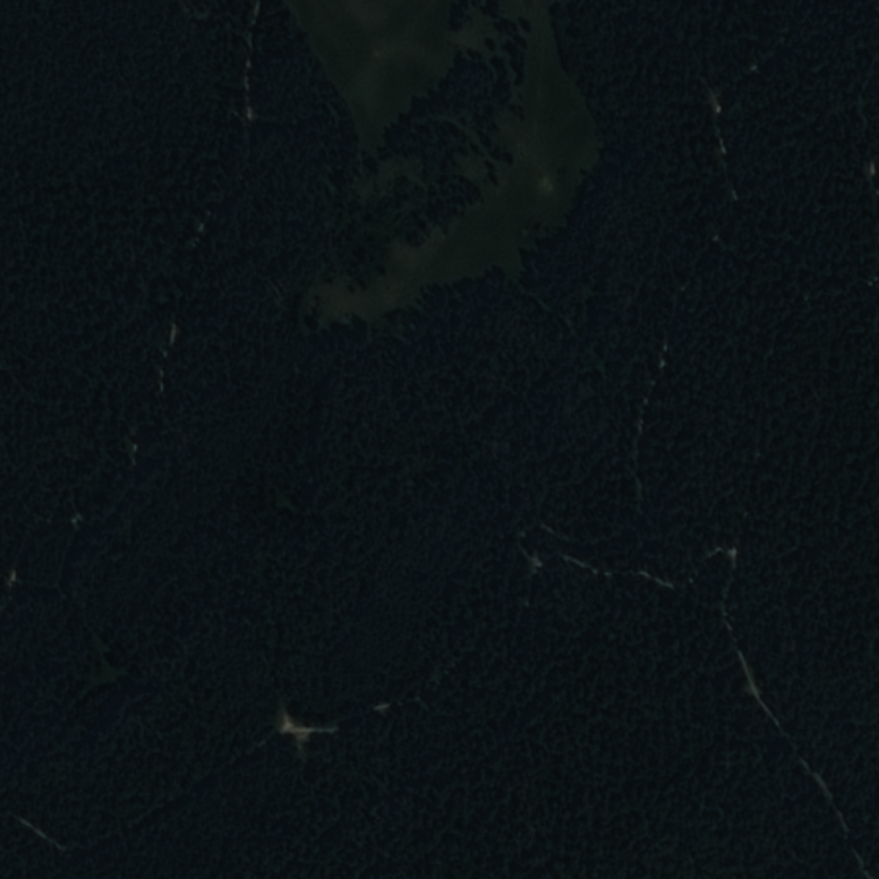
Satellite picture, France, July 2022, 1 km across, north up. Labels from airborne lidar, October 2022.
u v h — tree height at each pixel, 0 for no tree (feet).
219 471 79
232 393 69
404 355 91
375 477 68
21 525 79
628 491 41
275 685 68
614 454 95
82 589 91
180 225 50
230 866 58
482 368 60
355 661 65
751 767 94
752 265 24
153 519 70
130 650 44
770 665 76
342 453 70
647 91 40
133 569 105
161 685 84
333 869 21
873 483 59
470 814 26
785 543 34
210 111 43
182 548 106
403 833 67
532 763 71
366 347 91
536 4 0
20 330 79
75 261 60
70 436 96
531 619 63
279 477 59
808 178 80
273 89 107
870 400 60
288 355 74
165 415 43
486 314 56
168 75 70
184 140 56
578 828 75
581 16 72
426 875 51
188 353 66
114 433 59
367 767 45
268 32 49
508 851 83
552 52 0
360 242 25
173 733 44
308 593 76
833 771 92
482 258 0
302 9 0
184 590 43
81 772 64
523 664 71
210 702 52
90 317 50
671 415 75
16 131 82
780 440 46
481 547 89
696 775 36
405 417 100
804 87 69
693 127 67
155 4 62
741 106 29
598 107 20
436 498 100
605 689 84
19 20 72
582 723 58
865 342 62
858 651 30
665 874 77
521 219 0
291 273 109
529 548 90
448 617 87
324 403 77
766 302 35
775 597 62
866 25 54
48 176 50
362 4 0
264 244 109
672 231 30
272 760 57
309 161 101
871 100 36
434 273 0
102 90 79
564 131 0
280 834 107
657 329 60
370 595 77
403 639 67
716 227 24
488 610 66
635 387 57
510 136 0
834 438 67
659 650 79
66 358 66
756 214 86
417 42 0
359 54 0
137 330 101
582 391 69
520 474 48
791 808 101
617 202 56
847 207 82
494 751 109
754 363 69
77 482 43
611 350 73
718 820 73
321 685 39
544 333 66
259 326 90
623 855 62
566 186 0
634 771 62
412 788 30
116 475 58
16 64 69
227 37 80
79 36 63
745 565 38
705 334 69
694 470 70
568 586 69
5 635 104
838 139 30
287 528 53
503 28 60
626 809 44
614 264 64
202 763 64
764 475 60
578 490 90
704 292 72
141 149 75
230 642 73
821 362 35
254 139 119
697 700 43
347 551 85
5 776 102
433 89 0
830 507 48
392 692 76
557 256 61
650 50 59
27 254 78
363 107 0
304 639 82
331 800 57
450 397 55
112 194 41
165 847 76
